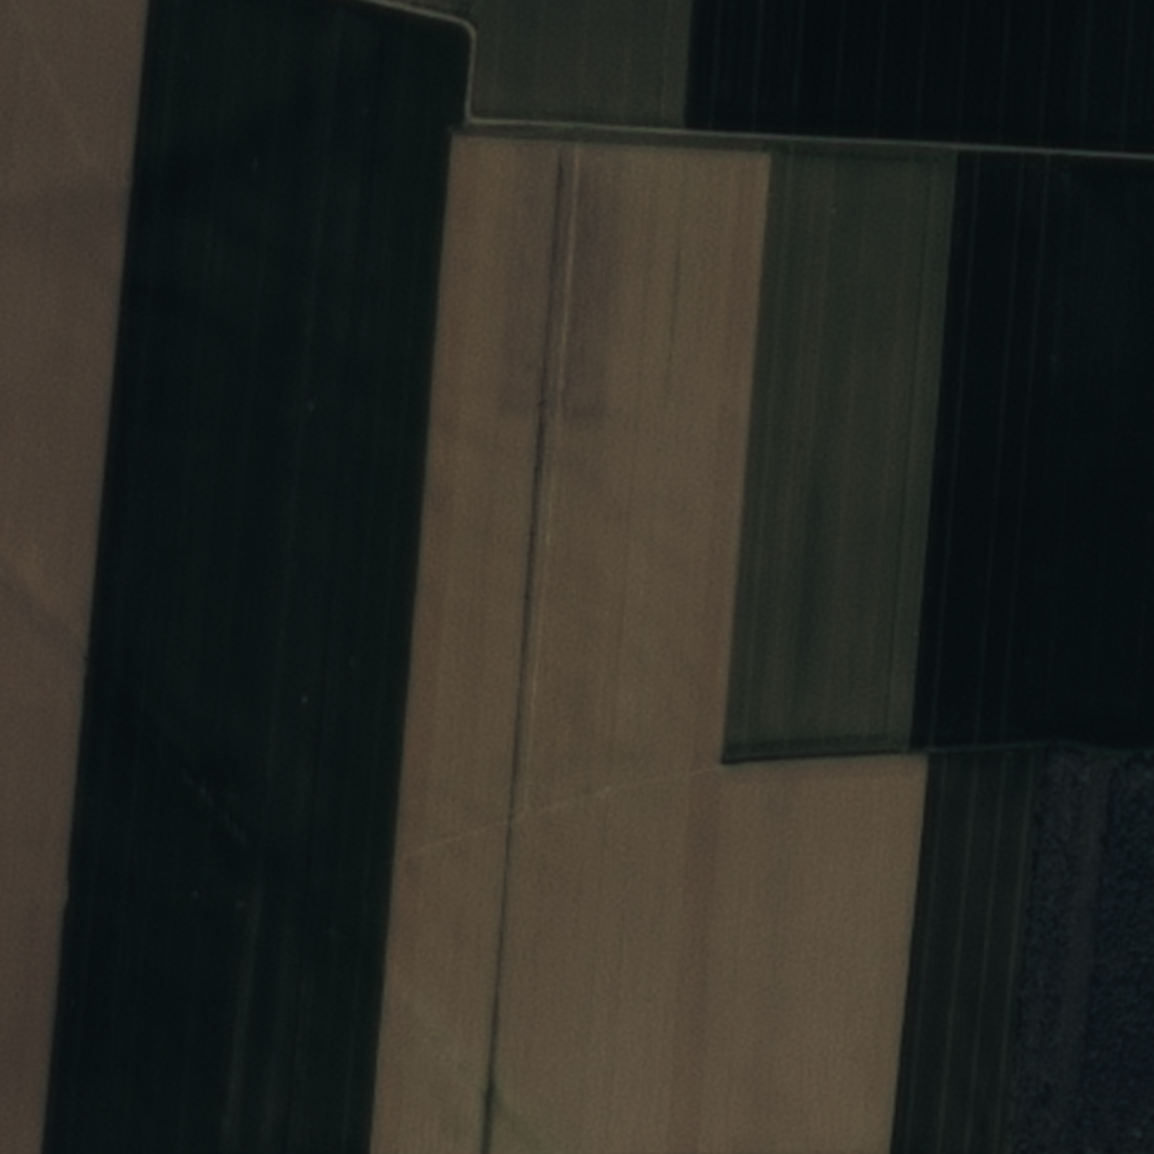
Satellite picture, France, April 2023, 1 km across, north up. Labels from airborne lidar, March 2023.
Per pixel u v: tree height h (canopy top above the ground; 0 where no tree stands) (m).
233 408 0
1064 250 0
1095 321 0
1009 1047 0
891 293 0
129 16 0
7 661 0
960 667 0
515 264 0
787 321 0
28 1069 0
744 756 0
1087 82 0
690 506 0
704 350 0
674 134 0
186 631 0
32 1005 0
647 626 0
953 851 0
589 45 0
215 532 0
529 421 0
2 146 0
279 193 0
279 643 0
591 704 0
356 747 0
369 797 0
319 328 0
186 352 0
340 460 0
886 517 0
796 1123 0
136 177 0
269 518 0
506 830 0
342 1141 0
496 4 0
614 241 0
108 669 0
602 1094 0
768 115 0
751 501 0
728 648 0
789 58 0
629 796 0
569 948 0
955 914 0
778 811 0
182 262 0
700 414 0
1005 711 0
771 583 0
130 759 0
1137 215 0
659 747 0
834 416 0
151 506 0
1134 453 0
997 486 0
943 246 0
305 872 0
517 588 0
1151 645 0
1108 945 14
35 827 0
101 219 0
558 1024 0
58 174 0
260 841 0
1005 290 0
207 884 0
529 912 0
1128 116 0
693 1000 0
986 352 0
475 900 0
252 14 0
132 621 0
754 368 0
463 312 0
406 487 0
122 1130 0
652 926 0
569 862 0
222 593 0
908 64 0
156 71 0
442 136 0
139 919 0
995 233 0
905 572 0
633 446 0
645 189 0
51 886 0
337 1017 0
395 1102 0
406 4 0
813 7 0
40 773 0
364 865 0
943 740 0
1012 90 0
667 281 0
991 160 0
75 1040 0
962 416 0
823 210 0
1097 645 0
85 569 0
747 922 0
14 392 0
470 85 0
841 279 0
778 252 0
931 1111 0
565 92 0
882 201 0
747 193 0
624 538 0
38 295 0
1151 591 0
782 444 0
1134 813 13
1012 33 0
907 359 0
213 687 0
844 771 0
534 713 0
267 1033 0
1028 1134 10
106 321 0
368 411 0
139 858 0
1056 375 0
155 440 0
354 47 0
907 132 0
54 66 0
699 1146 0
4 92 0
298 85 0
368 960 0
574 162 0
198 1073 0
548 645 0
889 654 0
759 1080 0
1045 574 0
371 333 0
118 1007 0
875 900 0
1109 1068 17
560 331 0
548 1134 0
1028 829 0
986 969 0
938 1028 0
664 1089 0
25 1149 0
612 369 0
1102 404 0
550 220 0
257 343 0
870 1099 0
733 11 0
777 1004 0
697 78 0
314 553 0
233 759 0
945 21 0
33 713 0
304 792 0
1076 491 0
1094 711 0
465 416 0
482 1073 0
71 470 0
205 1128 0
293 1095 0
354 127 0
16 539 0
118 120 0
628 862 0
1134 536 0
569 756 0
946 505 0
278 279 0
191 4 0
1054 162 0
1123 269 0
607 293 0
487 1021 0
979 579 0
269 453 0
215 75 0
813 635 0
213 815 0
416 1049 0
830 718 0
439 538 0
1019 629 0
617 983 0
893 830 0
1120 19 0
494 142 0
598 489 0
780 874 0
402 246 0
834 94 0
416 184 0
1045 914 10
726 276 0
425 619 0
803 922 0
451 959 0
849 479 0
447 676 0
